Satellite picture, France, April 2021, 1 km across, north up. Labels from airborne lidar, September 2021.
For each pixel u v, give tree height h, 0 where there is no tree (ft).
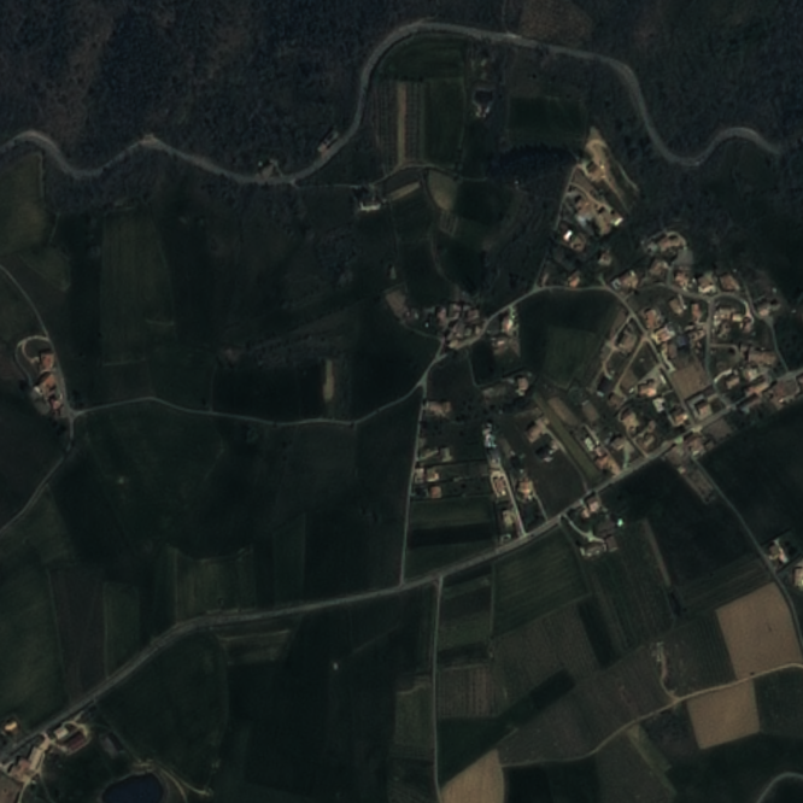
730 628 0
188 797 0
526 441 0
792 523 0
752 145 23
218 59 25
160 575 0
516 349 0
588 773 0
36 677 0
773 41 69
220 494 0
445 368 0
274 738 0
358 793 0
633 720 0
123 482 0
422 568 0
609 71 31
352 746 0
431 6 29
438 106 0
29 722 0
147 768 0
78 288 0
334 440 0
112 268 0
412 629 0
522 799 0
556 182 39
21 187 0
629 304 0
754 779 0
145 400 0
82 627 0
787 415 0
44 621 0
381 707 0
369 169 0
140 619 0
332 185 35
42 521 0
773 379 31
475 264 0
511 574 0
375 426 0
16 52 41
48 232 0
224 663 0
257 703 0
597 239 24
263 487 0
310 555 0
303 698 0
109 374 0
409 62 0
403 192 0
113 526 0
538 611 0
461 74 0
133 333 0
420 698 0
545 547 0
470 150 0
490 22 50
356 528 0
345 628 0
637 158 52
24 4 34
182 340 0
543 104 0
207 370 0
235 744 0
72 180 46
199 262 0
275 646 0
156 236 0
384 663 0
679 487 0
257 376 0
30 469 0
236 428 0
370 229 0
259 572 0
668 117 45
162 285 0
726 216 40
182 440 0
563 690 0
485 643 0
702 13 47
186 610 0
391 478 0
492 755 0
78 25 20
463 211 0
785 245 0
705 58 44
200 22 36
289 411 0
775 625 0
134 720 0
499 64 20
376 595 0
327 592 0
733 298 0
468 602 0
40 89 27
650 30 48
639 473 0
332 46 32
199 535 0
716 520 0
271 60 33
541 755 0
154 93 32
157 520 0
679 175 43
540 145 0
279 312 0
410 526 0
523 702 0
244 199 34
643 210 34
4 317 0
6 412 0
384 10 27
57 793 29
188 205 0
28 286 0
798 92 30
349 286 18
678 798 0
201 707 0
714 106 44
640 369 0
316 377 0
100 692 0
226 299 0
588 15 27
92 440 0
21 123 36
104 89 36
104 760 0
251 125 24
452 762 0
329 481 0
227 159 54
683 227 0
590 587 0
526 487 0
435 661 0
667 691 0
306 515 0
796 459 0
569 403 0
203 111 26
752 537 0
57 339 0
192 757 0
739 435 0
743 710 0
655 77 40
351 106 36
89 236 22
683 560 0
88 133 33
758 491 0
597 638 0
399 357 0
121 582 0
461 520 0
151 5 37
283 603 0
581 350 0
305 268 0
